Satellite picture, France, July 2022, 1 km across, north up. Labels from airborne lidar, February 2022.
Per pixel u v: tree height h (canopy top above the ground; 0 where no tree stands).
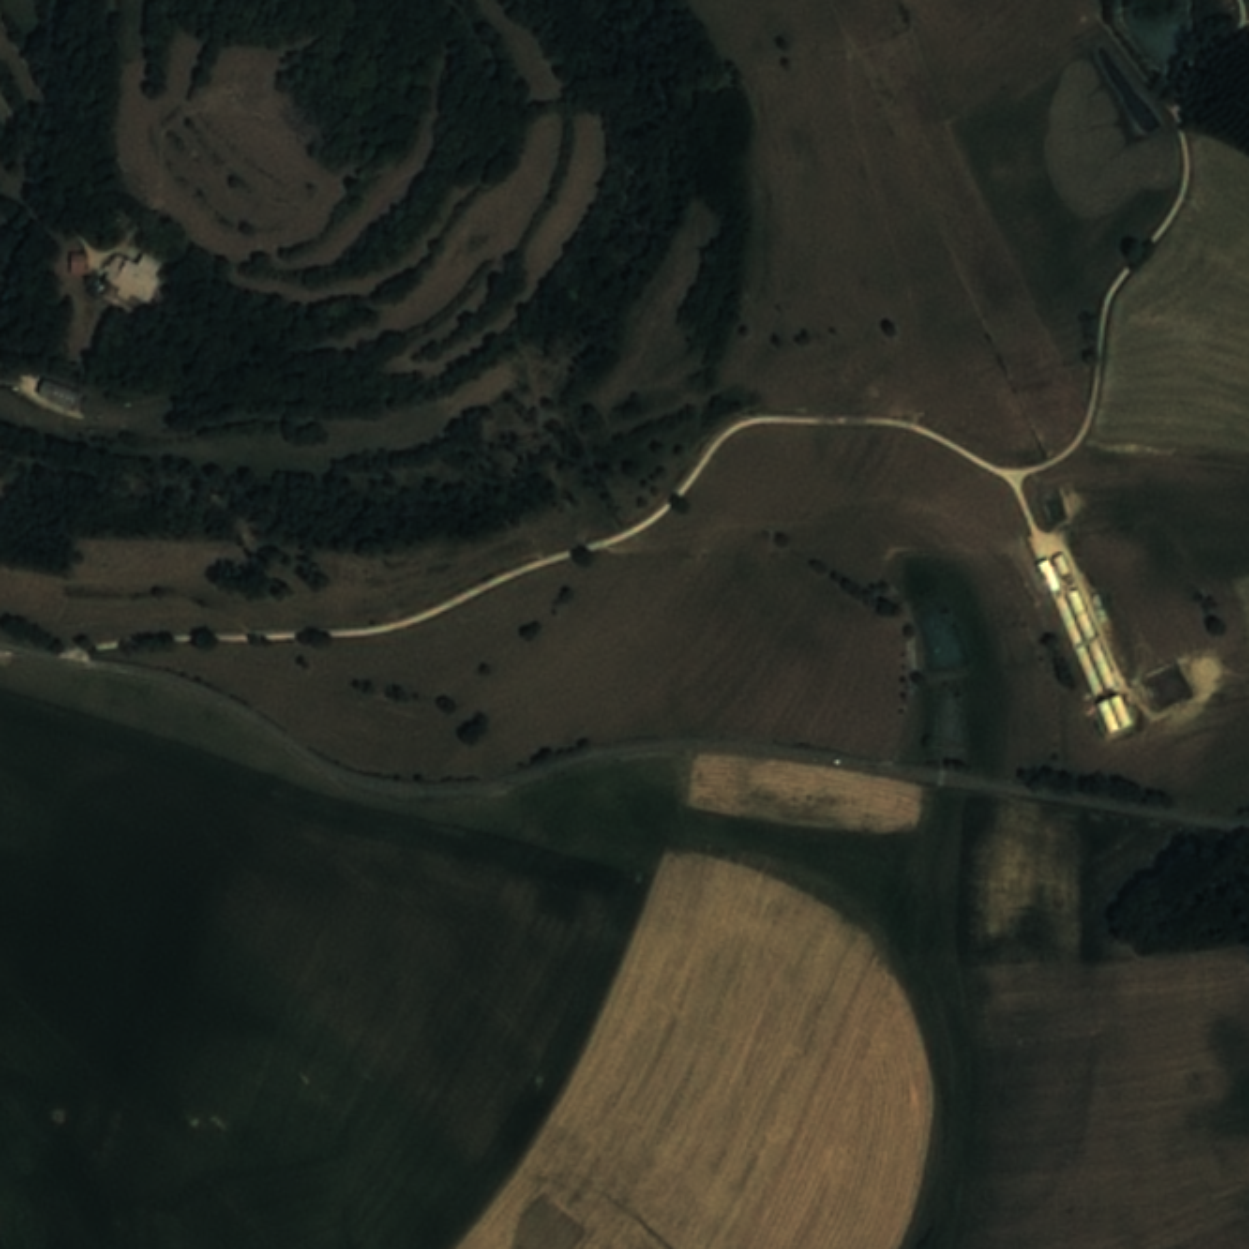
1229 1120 0
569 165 9
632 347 0
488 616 0
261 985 0
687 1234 0
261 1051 0
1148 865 0
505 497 16
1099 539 0
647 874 0
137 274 0
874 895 0
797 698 0
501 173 16
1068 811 0
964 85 0
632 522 0
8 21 9
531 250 0
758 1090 0
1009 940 0
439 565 0
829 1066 0
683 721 0
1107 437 0
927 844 0
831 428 0
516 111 15
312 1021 0
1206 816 0
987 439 0
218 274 15
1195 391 0
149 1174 0
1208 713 0
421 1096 0
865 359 0
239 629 0
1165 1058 0
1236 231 0
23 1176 0
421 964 0
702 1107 0
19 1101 0
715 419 7
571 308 21
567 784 0
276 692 0
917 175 0
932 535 0
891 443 0
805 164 0
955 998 0
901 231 0
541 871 0
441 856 0
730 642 0
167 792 0
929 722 0
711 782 0
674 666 0
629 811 0
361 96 13
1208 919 5
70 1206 0
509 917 0
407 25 18
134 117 0
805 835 0
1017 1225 0
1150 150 0
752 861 0
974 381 0
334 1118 0
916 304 0
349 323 16
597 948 0
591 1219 0
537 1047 0
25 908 0
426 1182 0
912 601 0
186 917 0
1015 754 0
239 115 0
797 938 0
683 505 16
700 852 0
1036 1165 0
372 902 0
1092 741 0
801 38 0
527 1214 0
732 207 7
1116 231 0
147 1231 0
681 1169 0
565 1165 0
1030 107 0
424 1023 0
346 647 0
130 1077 0
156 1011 0
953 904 0
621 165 9
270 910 0
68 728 0
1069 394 0
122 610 0
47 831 0
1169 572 0
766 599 0
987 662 0
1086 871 0
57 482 22
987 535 0
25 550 19
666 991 0
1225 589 0
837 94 0
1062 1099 0
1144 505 0
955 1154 0
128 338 16
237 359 12
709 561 0
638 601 0
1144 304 0
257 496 19
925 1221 0
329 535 12
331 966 0
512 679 0
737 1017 0
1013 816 0
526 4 11
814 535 0
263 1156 0
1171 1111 0
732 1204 0
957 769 12
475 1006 0
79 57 24
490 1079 0
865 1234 0
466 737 15
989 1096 0
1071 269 0
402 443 0
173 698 0
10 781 0
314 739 0
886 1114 0
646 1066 0
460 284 0
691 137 9
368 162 7
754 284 0
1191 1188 0
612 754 0
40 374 15
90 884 0
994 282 0
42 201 15
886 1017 0
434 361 10
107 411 0
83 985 0
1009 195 0
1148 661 0
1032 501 0
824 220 0
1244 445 0
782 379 0
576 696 0
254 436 7
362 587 0
